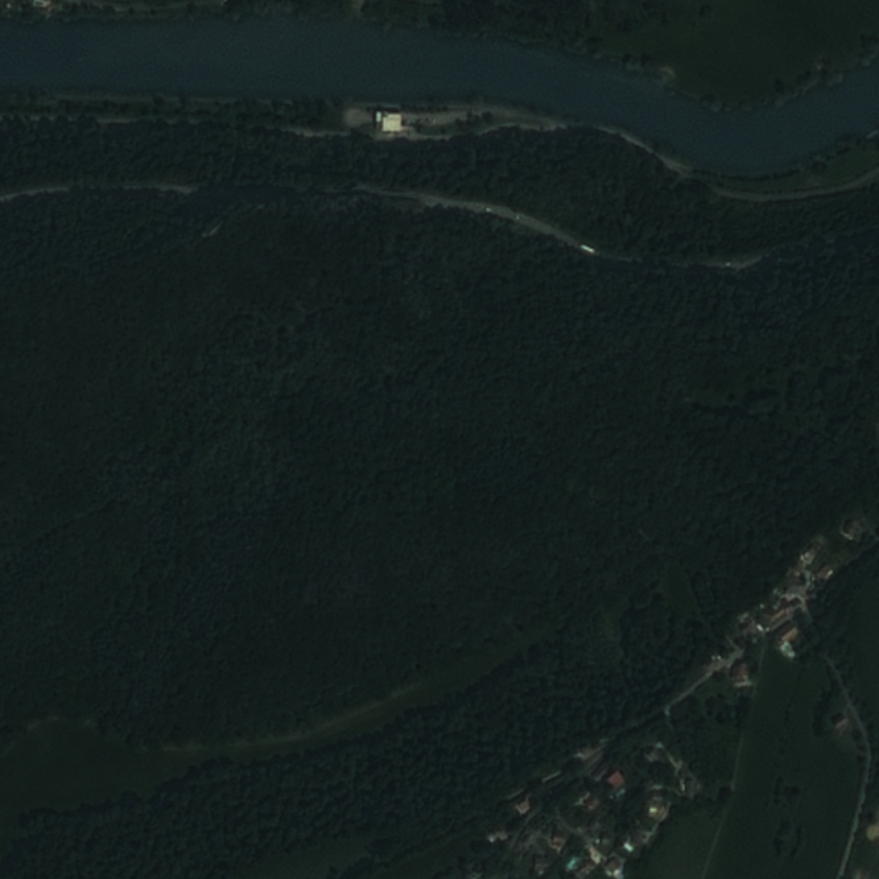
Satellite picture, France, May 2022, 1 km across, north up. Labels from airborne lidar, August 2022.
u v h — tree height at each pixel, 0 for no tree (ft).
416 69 0
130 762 0
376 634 49
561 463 60
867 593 0
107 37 0
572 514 59
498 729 74
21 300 68
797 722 0
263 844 67
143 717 73
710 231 108
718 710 45
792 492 75
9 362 56
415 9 22
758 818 0
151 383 49
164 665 76
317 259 79
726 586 76
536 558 60
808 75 34
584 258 55
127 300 47
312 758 64
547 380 63
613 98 0
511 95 0
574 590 61
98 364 37
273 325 55
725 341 87
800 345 70
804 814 0
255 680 47
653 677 56
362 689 72
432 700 0
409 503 53
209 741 78
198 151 77
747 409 64
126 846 84
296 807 54
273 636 41
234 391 98
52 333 61
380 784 91
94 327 54
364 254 65
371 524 46
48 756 0
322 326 85
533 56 0
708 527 77
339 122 0
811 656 30
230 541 88
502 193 53
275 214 33
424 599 46
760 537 85
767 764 0
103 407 33
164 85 0
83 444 42
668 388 87
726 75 0
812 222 27
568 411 58
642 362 72
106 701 85
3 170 72
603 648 89
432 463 77
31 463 34
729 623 62
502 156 67
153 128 61
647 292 77
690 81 0
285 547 56
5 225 59
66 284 65
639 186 80
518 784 52
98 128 76
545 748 85
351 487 70
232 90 0
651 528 66
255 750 0
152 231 53
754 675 58
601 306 49
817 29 0
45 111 50
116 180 61
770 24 0
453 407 53
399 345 91
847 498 85
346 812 101
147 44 0
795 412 55
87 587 55
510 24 47
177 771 0
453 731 52
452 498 60
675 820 30
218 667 45
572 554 63
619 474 68
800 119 0
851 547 30
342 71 0
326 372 84
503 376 47
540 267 73
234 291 65
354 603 66
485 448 58
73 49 0
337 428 87
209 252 35
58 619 37
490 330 83
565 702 44
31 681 67
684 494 64
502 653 0
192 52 0
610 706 73
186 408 67
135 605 87
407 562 59
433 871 0
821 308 87
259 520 87
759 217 19
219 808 81
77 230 49
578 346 59
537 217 49
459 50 0
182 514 56
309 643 45
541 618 79
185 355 61
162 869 82
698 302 78
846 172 0
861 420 74
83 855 85
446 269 64
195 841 79
